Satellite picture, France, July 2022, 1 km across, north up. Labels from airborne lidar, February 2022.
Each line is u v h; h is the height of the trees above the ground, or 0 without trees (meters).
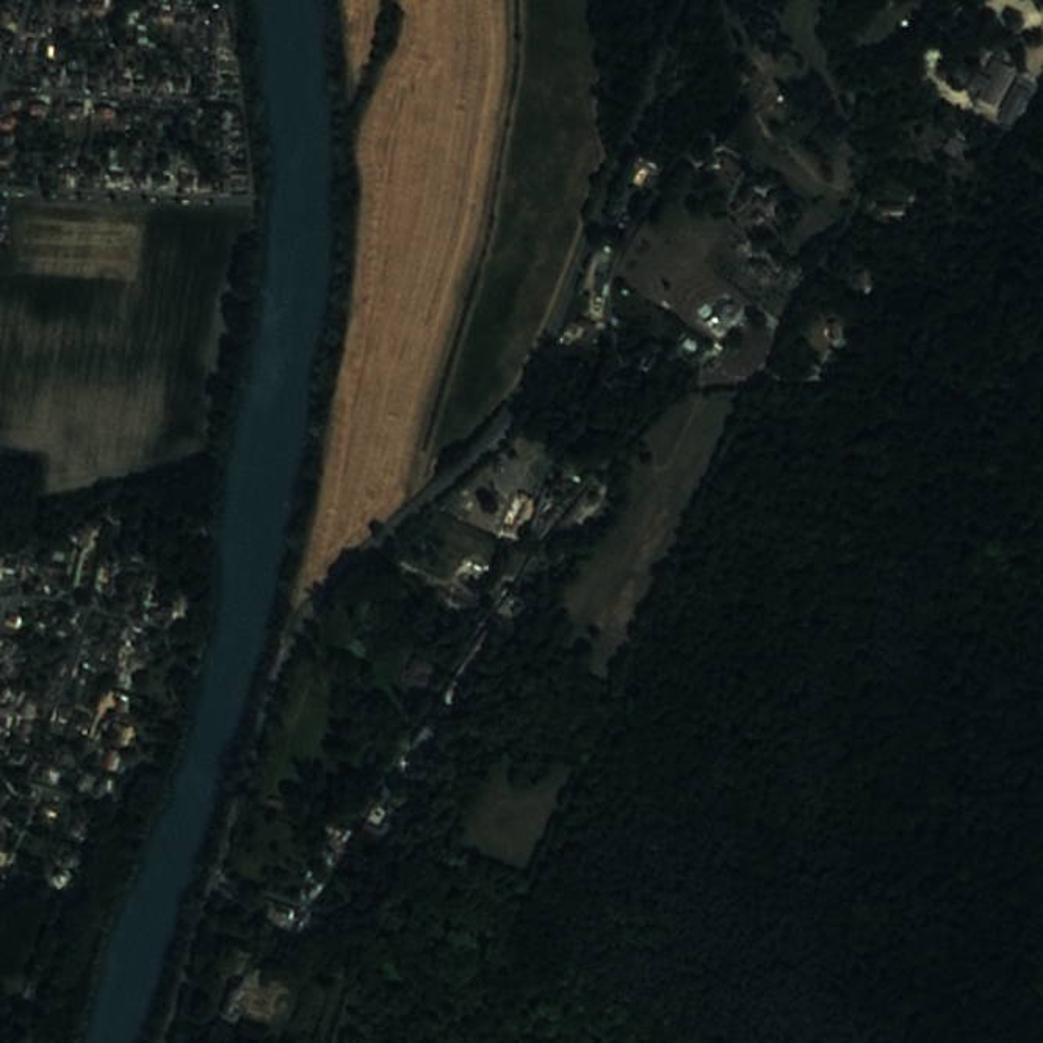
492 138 0
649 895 20
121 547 18
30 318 0
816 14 0
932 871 8
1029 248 9
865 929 19
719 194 18
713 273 0
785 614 20
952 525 19
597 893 23
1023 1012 21
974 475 18
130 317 0
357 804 17
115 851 30
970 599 23
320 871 24
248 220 0
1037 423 19
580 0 0
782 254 17
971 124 13
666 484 0
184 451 0
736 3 21
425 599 7
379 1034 18
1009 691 22
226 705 0
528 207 0
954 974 20
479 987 23
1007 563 18
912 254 14
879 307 15
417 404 0
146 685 15
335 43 10
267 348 0
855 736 24
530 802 0
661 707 21
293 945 22
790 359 19
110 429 0
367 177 0
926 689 23
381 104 0
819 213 0
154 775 22
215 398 25
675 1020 21
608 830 21
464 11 0
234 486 0
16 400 0
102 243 0
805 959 26
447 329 0
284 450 0
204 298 0
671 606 18
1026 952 9
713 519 20
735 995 24
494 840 0
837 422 19
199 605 20
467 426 0
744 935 21
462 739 13
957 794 15
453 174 0
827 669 23
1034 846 22
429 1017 23
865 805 17
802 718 23
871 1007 24
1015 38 15
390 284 0
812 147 9
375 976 20
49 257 0
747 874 21
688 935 18
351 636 0
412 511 0
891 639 23
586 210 8
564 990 25
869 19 17
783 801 23
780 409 15
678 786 24
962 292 20
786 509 20
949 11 21
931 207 12
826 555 18
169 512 24
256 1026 9
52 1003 21
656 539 0
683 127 21
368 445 0
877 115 19
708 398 11
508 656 21
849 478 17
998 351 6
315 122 0
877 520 21
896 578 24
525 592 12
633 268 0
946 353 24
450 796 20
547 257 0
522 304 0
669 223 0
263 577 0
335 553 0
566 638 19
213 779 0
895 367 10
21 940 32
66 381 0
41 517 10
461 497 0
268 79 0
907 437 20
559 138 0
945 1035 20
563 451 23
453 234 0
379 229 0
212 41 0
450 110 0
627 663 17
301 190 0
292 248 0
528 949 24
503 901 22
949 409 29
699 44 12
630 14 24
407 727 15
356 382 0
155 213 0
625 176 12
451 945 24
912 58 16
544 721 24
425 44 0
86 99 0
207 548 19
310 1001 0
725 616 21
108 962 0
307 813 22
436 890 25
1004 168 19
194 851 0
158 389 0
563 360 21
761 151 0
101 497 15
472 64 0
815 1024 24
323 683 22
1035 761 22
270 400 0
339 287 12
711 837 24
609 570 0
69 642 7
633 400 20
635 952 22
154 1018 15
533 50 0
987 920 20
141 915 0
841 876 25
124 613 8
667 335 0
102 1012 0
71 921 30
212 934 14
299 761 0
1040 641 19
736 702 24
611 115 18
